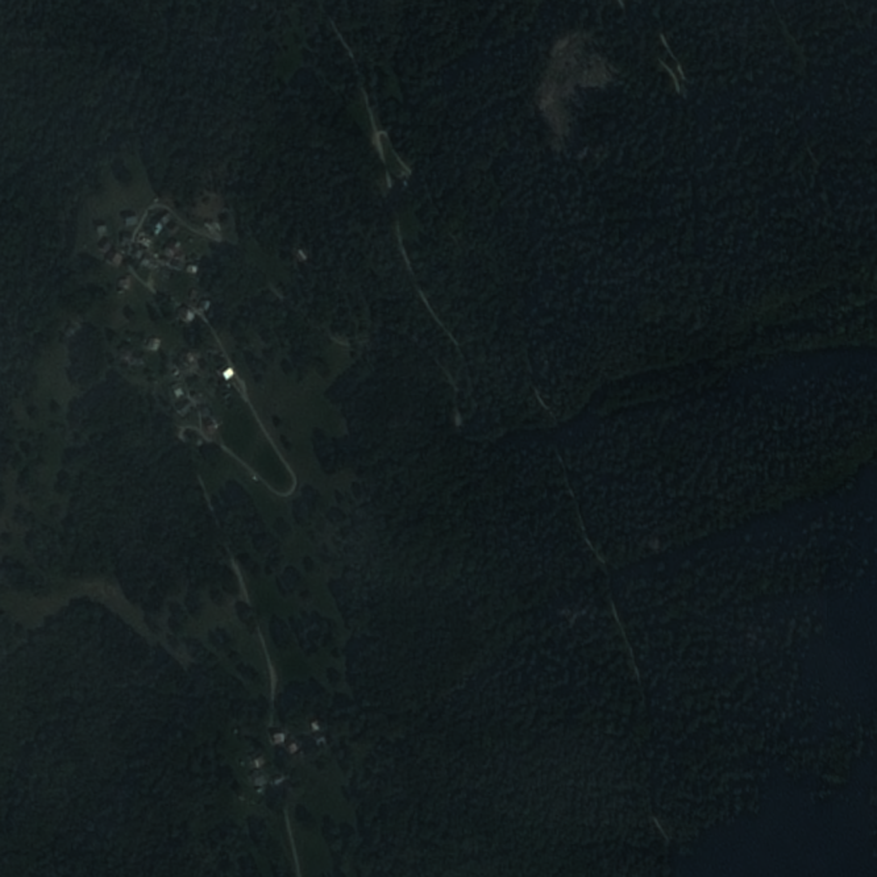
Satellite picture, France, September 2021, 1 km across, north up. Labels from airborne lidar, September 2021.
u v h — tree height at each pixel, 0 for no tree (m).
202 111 20
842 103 18
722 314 23
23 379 16
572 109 7
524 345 14
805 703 23
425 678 27
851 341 9
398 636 29
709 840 21
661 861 21
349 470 27
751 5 19
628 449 23
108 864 25
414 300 20
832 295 8
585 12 22
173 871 26
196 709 32
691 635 23
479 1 15
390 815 28
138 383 0
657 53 18
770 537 34
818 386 20
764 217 9
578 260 32
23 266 27
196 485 16
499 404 19
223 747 24
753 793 22
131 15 28
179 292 0
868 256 23
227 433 0
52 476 0
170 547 28
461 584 18
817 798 15
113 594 0
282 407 0
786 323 7
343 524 20
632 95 19
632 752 22
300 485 0
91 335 20
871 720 26
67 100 22
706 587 20
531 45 29
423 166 23
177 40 17
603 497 23
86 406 18
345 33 28
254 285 24
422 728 20
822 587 24
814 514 12
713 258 24
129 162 0
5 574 21
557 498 27
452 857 20
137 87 19
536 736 21
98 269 19
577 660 21
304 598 21
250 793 0
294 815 0
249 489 0
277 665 0
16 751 34
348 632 8
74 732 30
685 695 25
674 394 13
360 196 26
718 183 22
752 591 26
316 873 0
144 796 26
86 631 33
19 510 8
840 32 8
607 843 24
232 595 10
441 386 29
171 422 8
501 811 22
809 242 26
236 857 27
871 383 13
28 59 24
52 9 22
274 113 18
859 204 29
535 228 17
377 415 29
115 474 33
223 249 0
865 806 12
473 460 19
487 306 24
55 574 29
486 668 23
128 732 28
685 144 13
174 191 18
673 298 19
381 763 21
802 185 7
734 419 22
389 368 19
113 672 28
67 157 19
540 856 20
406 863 23
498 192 16
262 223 28
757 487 23
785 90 12
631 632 8
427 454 26
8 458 13
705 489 20
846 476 7
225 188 6
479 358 28
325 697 19
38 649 19
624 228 19
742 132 18
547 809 18
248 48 28
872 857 10
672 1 23
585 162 24
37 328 18
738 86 8
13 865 20
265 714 17
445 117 25
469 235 12
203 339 21
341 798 0
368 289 17
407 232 0
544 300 26
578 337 29
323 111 36
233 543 29
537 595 21
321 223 10
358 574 20
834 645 26
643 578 8
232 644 21
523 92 25
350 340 13
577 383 22
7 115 27
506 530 22
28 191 19
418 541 31
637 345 21
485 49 27
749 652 26
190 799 17
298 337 22
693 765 23
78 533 27
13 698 22
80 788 25
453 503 23
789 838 17
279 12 14
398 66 22
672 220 30
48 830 24
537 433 7
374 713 18
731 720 20
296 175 11
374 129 0
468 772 26
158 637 23
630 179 33
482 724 29
